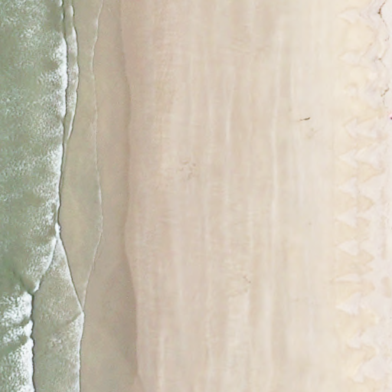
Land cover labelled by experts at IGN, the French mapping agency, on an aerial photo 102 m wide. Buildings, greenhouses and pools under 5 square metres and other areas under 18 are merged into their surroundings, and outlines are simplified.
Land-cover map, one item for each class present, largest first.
<instances>
[{"label":"bare soil","instance_id":"1","mask_svg":"<svg viewBox=\"0 0 392 392\"><path fill-rule=\"evenodd\" d=\"M78 11H73V15L67 14L70 35L64 37L57 47V70L61 77V86L57 92L60 93L58 112L64 115L67 83L72 84L69 106L73 122H77V130L73 132L75 138L67 147L69 153L66 155L63 152L61 156L58 185L60 205H52L54 216L51 227L60 225V239L66 253L70 279L77 280L80 288L81 283L87 282L80 348V392H392V0H75Z\"/></svg>","mask_w":392,"mask_h":392},{"label":"water","instance_id":"2","mask_svg":"<svg viewBox=\"0 0 392 392\"><path fill-rule=\"evenodd\" d=\"M73 11H78L75 0H0V392H80V348L87 282L81 283L80 288L77 280L70 279L66 253L60 239V225L51 227L54 216L52 205H60L58 185L61 156L63 152L66 155L69 153L67 147L75 138L73 132L77 130V122H73L69 106L72 84L67 83L64 115L58 112L60 93L57 92L61 86V77L57 70V47L64 37L70 35L67 14L73 15Z\"/></svg>","mask_w":392,"mask_h":392}]
</instances>
